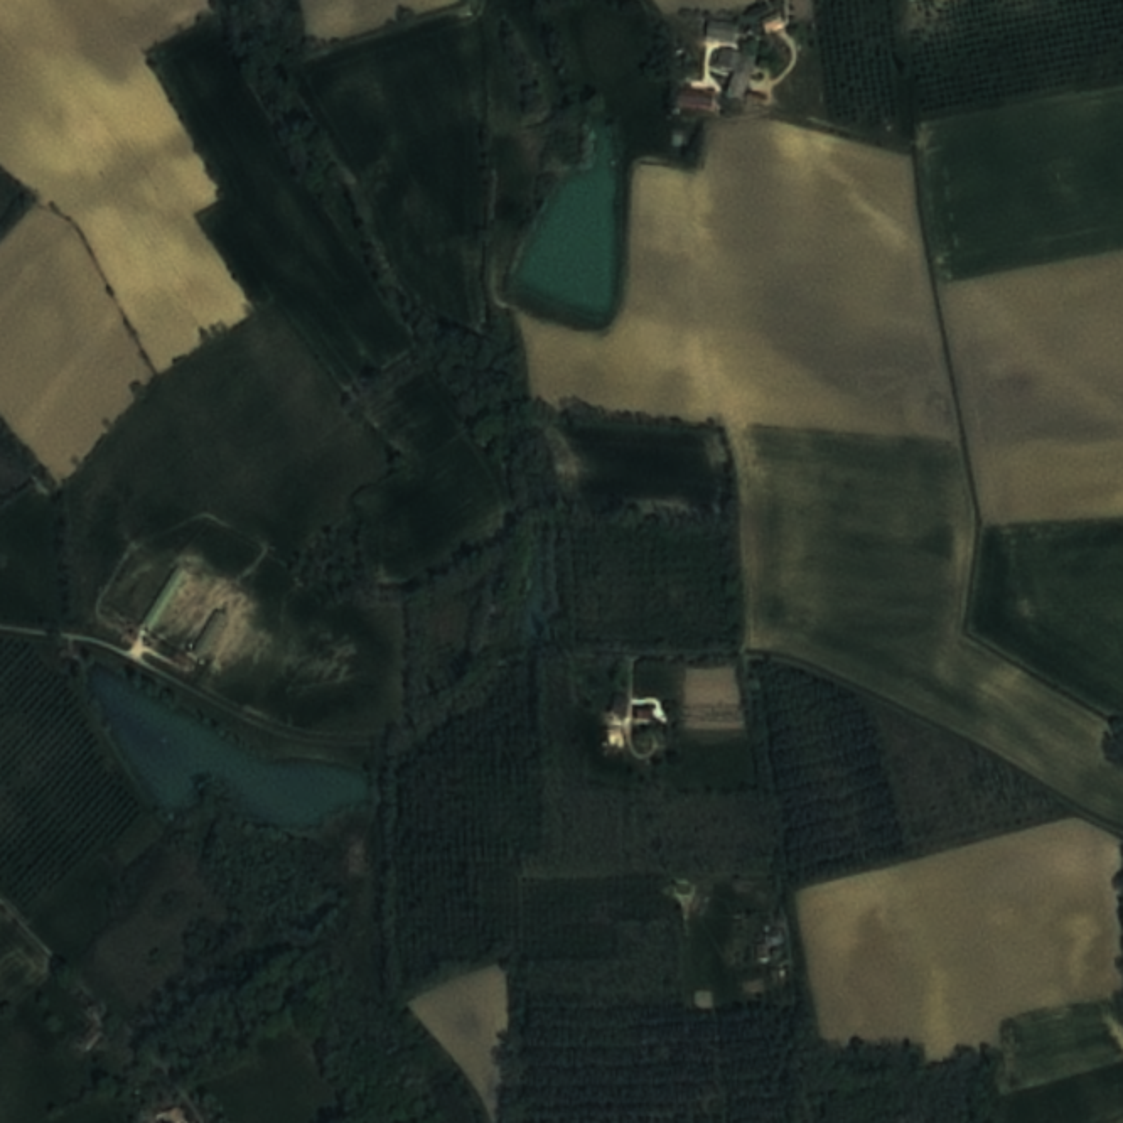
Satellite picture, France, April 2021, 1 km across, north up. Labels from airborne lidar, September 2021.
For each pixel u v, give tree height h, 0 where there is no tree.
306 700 0
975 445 0
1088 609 0
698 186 0
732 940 0
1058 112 0
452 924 9
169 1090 11
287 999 13
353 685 0
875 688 0
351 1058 22
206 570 0
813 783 8
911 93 0
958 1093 19
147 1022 21
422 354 19
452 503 0
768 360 0
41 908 0
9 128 0
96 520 0
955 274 0
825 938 0
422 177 0
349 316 0
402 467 15
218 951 7
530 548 12
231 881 16
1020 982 0
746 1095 10
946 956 0
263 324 0
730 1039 13
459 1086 9
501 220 0
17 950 0
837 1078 19
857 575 0
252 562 0
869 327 0
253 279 0
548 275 0
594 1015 8
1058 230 0
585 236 0
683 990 11
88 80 0
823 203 0
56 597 0
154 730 0
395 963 17
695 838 9
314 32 0
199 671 0
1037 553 0
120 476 0
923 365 0
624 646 6
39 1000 8
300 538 0
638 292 0
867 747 15
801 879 9
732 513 16
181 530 0
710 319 0
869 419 0
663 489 0
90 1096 11
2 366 0
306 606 0
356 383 0
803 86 0
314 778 0
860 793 8
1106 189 0
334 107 0
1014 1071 0
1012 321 0
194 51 0
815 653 0
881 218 0
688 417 0
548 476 22
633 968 15
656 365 0
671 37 12
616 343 0
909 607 0
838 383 0
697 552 6
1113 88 0
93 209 0
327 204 14
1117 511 0
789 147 0
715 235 0
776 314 0
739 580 14
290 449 0
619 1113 12
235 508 0
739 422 0
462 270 0
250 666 0
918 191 0
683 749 0
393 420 0
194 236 0
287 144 15
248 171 0
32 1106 0
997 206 0
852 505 0
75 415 0
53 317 0
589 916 10
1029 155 0
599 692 0
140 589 0
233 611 0
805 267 0
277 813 0
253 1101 0
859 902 0
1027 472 0
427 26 0
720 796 10
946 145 0
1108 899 0
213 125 0
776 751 12
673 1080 12
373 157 0
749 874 15
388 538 0
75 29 0
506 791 9
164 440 0
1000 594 0
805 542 0
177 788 0
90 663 17
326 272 0
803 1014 15
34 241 0
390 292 15
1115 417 0
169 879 0
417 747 9
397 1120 24
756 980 0
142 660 0
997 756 0
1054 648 0
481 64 0
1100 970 0
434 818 13
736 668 7
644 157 0
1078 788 0
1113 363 0
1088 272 0
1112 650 0
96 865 0
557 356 0
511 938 16
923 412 0
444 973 30
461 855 19
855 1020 0
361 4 0
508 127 0
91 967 0
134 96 0
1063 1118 0
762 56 7
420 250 0
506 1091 8
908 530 0
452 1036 0
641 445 0
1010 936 0
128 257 0
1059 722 0
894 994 0
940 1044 0
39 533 0
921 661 0
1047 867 0
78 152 0
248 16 22
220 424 0
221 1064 19
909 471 0
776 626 0
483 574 24
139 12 0
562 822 14
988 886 0
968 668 0
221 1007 25
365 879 0
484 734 12
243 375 0
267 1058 0
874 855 10
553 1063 11
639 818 10
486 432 23
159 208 0
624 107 0
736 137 0
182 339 0
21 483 6
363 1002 14
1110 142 0
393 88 0
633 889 9
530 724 11
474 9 0
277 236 0
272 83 31
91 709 6
